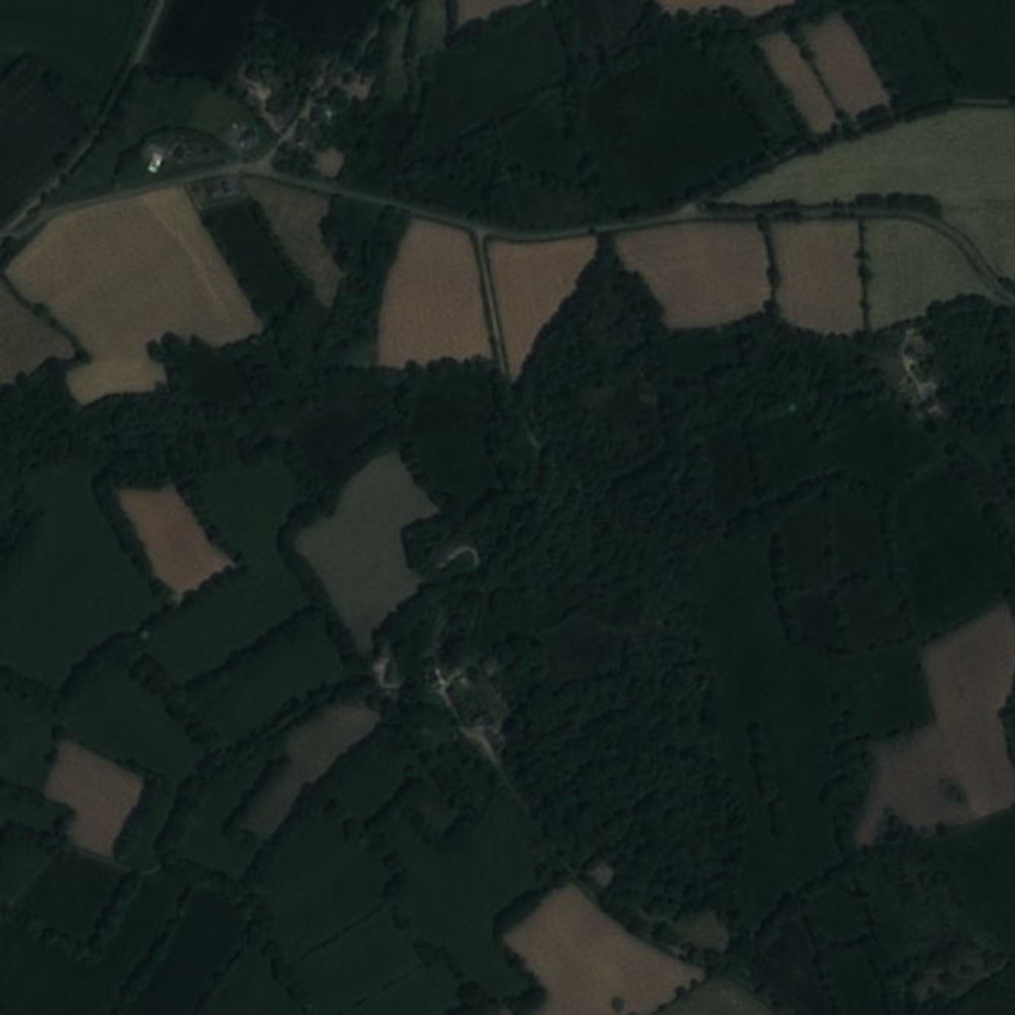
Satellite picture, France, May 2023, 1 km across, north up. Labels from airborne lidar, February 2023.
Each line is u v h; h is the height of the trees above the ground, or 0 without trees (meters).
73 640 0
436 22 0
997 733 0
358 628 0
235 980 0
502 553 14
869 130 12
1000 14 0
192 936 0
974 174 0
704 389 7
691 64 0
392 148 0
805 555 0
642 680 16
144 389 0
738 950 20
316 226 0
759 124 8
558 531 8
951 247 0
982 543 0
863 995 0
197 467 10
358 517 0
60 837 9
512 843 0
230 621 0
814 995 0
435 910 0
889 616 0
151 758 0
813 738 0
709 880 8
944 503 0
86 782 0
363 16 0
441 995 0
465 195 0
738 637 0
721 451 0
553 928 0
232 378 0
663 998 0
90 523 0
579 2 0
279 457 12
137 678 16
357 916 0
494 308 0
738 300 0
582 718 7
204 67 0
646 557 9
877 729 0
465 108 0
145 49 0
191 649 0
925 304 0
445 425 0
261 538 0
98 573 0
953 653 0
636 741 22
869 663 0
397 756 16
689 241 0
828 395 18
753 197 0
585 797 17
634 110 0
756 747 14
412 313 0
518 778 16
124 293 0
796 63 0
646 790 10
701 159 0
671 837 14
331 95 6
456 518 14
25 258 0
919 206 14
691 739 8
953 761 0
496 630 0
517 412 10
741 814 12
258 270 0
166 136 13
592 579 9
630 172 0
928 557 0
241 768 13
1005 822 0
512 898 0
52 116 0
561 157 0
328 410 0
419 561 13
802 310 0
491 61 0
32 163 0
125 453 9
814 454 0
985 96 0
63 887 0
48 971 0
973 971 7
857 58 0
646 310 15
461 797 11
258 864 12
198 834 0
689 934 0
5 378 0
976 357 0
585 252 0
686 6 0
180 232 0
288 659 0
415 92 7
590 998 0
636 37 6
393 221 9
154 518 0
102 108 7
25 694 18
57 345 0
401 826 0
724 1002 0
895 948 0
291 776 0
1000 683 0
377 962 0
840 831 9
